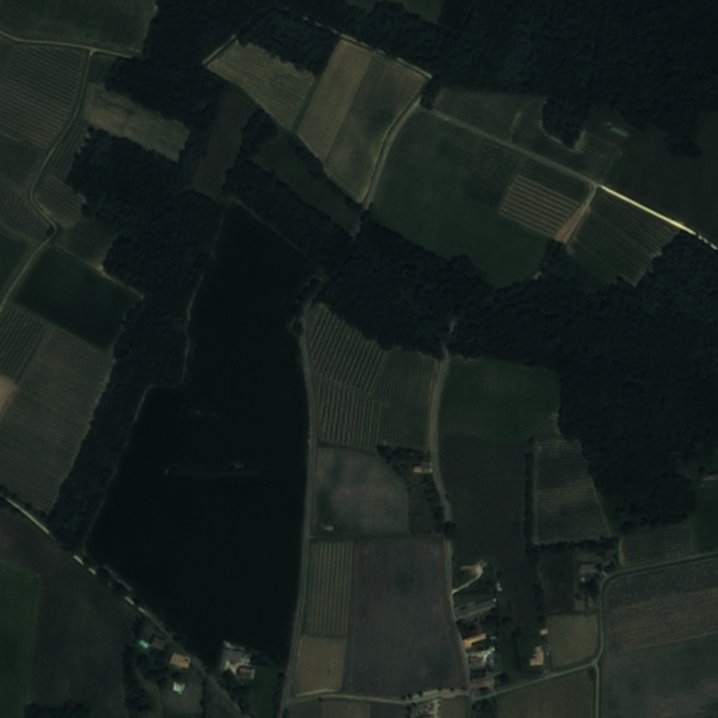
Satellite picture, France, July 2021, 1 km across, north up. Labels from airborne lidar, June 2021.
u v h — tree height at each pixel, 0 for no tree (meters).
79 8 0
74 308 0
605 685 0
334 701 0
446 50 19
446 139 0
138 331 22
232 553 0
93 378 0
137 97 14
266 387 0
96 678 0
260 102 0
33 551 0
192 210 24
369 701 0
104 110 0
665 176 0
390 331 21
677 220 0
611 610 0
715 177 0
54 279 0
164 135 0
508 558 0
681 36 23
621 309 15
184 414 11
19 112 0
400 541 0
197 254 13
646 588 0
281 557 0
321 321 0
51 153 0
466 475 0
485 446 0
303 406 0
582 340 18
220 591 0
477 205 0
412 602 0
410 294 10
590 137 0
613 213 0
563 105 14
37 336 0
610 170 0
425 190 0
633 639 0
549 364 14
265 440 0
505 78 20
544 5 19
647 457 24
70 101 0
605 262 0
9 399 0
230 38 13
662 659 0
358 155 0
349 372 0
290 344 0
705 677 0
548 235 0
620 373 22
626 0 22
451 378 0
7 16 0
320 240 18
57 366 0
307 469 0
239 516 0
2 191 0
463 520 0
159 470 0
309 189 0
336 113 0
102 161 20
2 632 0
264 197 18
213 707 0
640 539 0
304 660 0
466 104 0
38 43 0
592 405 24
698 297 19
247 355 0
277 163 0
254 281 0
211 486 0
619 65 21
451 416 0
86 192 13
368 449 0
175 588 0
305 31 17
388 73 0
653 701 0
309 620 0
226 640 0
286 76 0
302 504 0
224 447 0
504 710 0
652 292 20
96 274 0
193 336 0
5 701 0
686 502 10
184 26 15
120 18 0
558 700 0
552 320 19
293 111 0
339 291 20
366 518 0
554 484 0
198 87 19
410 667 0
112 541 0
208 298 0
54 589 0
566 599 0
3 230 0
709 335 20
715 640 0
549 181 0
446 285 13
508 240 0
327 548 0
